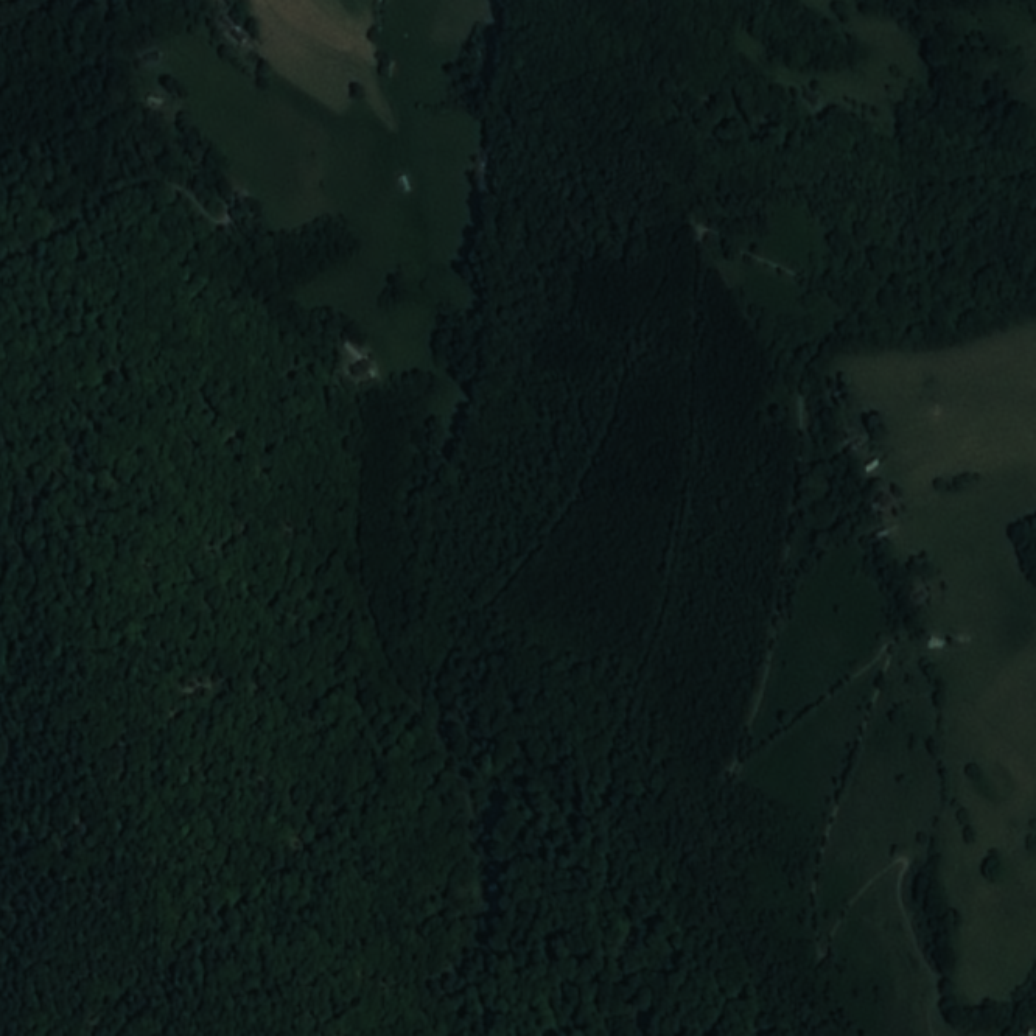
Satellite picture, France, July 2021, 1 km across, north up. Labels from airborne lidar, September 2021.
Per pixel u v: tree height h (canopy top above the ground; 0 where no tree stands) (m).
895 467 0
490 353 22
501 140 15
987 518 0
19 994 29
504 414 6
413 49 0
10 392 26
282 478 28
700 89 31
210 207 14
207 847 28
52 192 16
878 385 0
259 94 0
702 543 11
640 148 21
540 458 8
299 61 0
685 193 8
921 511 0
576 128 21
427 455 14
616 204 22
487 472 13
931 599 8
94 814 28
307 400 23
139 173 23
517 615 12
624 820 26
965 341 7
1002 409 0
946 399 0
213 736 29
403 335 0
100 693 26
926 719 0
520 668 27
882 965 0
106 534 20
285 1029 27
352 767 26
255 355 28
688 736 9
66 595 24
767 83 25
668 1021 31
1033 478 0
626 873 26
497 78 36
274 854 24
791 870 9
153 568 23
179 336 27
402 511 13
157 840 22
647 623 12
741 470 9
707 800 11
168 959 28
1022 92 0
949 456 0
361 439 23
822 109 0
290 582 31
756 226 18
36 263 22
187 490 24
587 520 11
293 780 23
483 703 24
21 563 24
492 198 24
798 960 9
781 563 7
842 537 9
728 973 27
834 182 21
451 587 10
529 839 34
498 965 29
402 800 26
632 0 27
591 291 18
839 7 16
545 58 29
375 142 0
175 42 0
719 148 26
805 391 9
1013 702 0
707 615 7
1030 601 0
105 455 25
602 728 24
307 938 26
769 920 8
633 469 14
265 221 10
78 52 26
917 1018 0
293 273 23
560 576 12
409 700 9
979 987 0
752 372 13
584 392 9
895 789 0
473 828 22
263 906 26
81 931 26
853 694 0
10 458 22
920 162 31
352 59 0
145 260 24
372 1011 22
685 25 31
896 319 10
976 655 0
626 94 27
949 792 7
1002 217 20
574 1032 28
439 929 26
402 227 0
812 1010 17
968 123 32
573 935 30
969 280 12
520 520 8
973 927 0
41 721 20
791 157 30
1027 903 0
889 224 16
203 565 25
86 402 24
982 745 0
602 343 15
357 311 0
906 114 21
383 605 19
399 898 22
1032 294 15
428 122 0
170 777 22
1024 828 0
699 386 14
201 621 26
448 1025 31
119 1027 23
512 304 10
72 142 22
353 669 29
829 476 7
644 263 21
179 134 12
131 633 25
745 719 8
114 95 28
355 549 14
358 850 24
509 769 9
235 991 26
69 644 23
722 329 13
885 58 0
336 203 0
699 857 19
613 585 11
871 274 20
